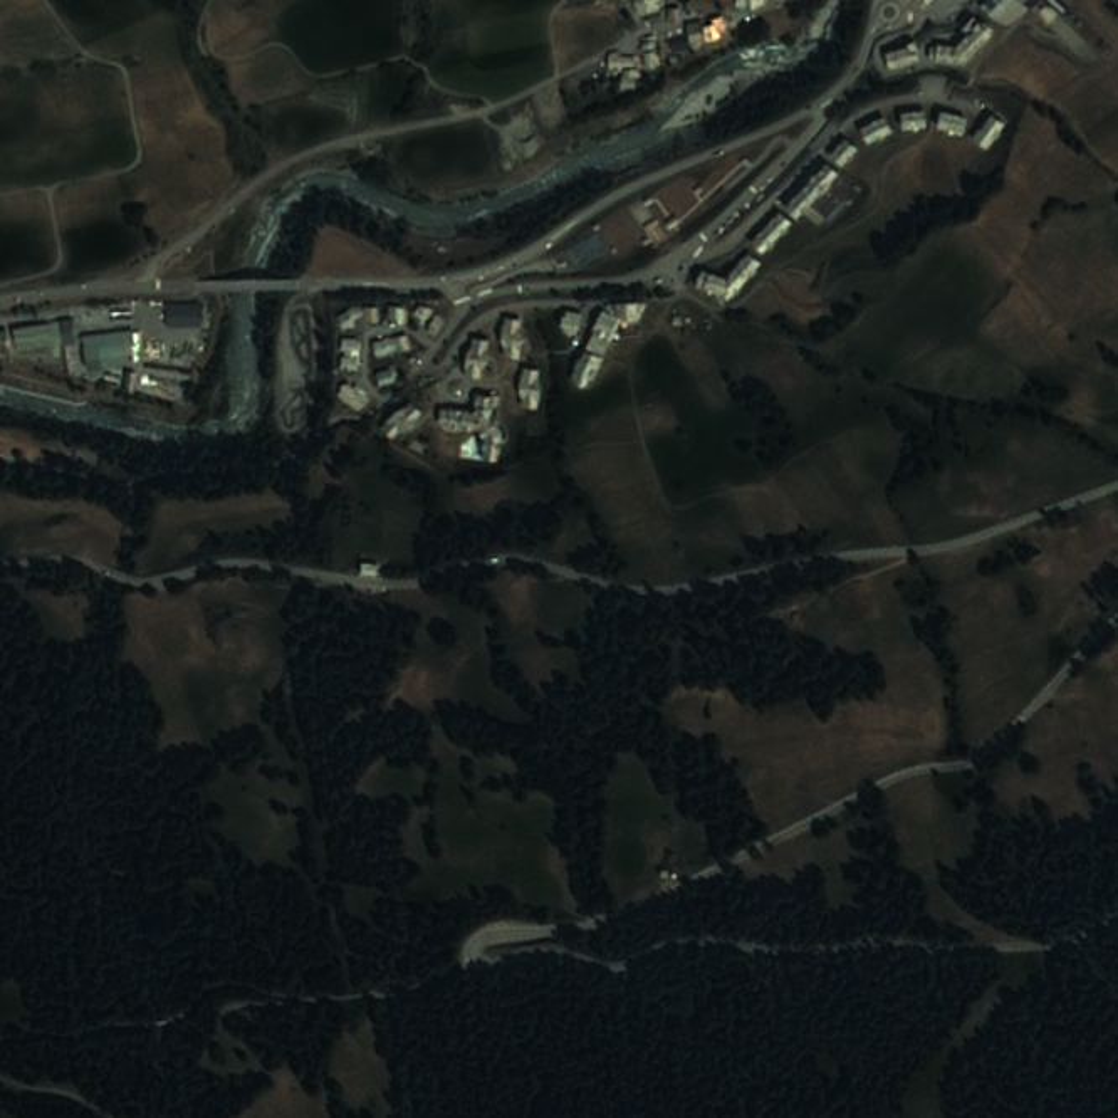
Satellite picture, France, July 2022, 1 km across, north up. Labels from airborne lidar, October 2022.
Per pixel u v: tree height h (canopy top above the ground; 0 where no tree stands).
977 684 0
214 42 0
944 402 8
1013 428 0
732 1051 17
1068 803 0
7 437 0
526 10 0
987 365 0
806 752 0
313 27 0
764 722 0
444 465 0
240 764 20
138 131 0
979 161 0
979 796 11
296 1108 0
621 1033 25
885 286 0
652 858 0
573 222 0
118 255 0
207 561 0
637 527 0
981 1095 20
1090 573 0
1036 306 0
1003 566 11
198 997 13
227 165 0
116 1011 24
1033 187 0
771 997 19
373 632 17
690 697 0
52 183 0
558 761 20
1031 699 0
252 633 0
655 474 0
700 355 0
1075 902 19
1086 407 0
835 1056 18
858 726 0
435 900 0
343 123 0
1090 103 0
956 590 0
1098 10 0
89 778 17
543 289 0
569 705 16
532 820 0
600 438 0
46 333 0
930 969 20
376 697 6
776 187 0
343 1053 0
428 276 0
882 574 0
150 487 10
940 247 0
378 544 0
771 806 0
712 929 9
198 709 0
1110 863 12
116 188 0
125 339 0
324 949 17
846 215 0
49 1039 17
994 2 0
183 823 26
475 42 0
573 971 23
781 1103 27
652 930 19
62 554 0
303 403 0
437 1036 15
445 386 0
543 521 27
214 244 0
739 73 0
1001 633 0
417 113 0
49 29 0
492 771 0
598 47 0
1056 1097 20
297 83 0
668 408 0
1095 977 16
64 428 12
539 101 0
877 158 0
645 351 0
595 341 0
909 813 0
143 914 9
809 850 0
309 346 0
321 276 0
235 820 0
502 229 11
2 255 0
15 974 12
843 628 0
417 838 0
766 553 27
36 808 19
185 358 0
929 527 0
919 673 0
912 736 0
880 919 22
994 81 0
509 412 0
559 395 7
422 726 19
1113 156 0
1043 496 0
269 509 0
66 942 17
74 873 23
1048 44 0
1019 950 0
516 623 0
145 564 0
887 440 0
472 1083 16
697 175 0
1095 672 0
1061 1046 19
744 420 0
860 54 0
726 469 0
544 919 17
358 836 24
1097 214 0
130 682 22
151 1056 19
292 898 20
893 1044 23
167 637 0
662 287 7
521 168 0
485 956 0
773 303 0
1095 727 0
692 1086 17
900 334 0
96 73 0
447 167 0
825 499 0
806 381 0
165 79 0
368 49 0
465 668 0
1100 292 0
